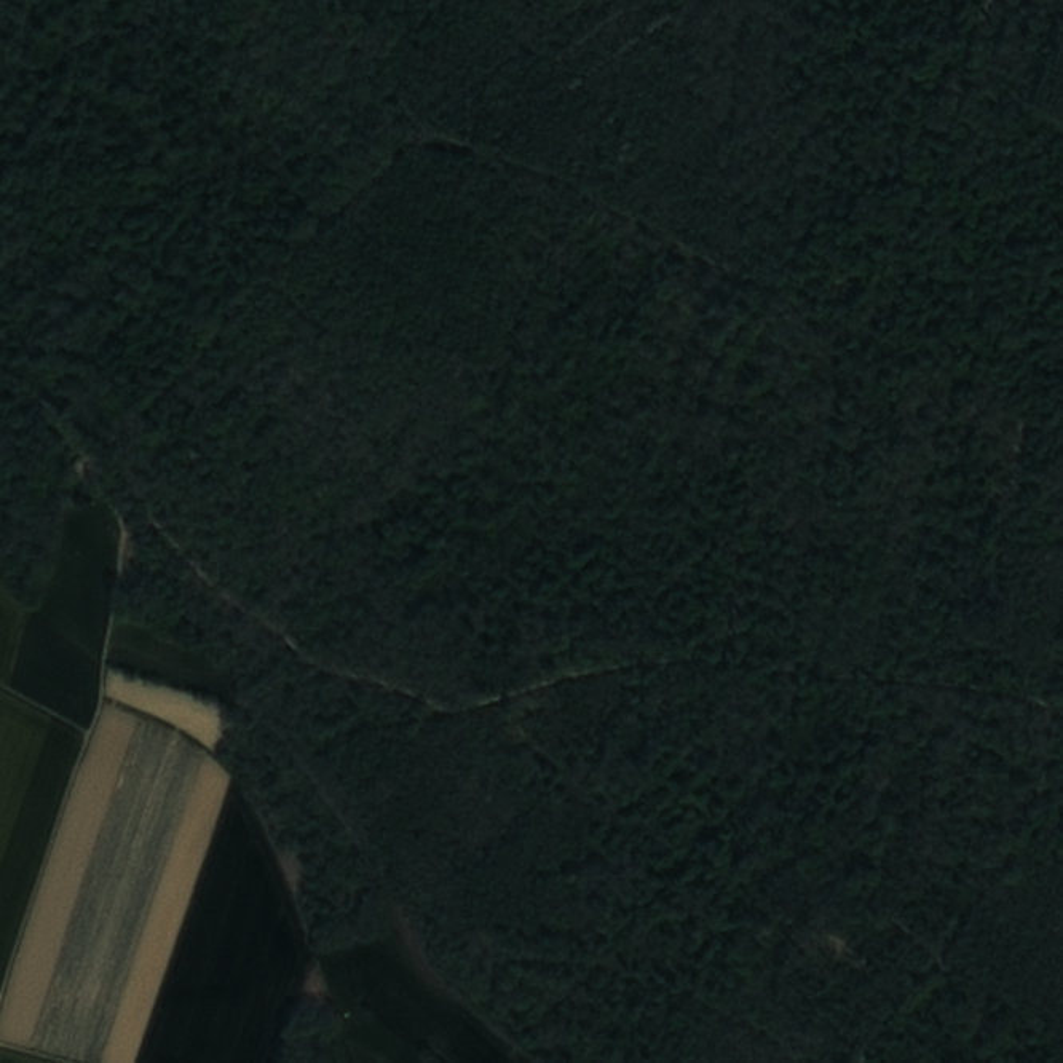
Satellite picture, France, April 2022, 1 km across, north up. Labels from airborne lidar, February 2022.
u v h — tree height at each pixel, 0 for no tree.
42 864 0
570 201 21
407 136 20
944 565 20
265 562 28
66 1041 0
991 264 24
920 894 11
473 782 21
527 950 25
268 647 27
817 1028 18
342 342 24
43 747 0
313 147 7
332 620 26
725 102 18
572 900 21
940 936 20
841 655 23
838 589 23
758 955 29
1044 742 26
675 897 27
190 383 29
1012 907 22
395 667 29
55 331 29
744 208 21
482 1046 0
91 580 0
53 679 0
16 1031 0
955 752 25
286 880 0
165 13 29
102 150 30
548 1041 20
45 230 26
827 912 20
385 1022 0
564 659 26
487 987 26
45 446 28
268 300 20
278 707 22
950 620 15
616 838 26
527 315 17
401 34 21
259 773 17
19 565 28
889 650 21
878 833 24
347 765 20
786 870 20
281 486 28
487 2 22
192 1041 0
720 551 21
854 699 28
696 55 22
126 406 30
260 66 31
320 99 29
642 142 23
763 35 21
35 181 23
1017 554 23
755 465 13
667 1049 20
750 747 24
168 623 22
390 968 0
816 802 18
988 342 23
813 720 16
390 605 27
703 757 21
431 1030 0
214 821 0
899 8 25
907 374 25
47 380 9
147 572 27
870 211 30
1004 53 32
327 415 27
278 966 0
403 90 21
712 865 24
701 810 26
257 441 27
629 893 30
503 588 22
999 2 15
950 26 19
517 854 20
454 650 21
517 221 15
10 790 0
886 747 27
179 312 20
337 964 0
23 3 24
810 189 20
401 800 17
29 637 0
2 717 0
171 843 0
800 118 26
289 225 32
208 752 0
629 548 18
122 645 0
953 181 22
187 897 0
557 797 25
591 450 28
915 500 21
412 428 29
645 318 22
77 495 26
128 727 0
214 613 27
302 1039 28
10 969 0
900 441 26
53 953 0
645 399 7
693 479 19
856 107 33
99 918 0
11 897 0
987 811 20
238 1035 0
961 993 19
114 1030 0
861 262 32
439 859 19
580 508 12
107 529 0
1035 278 20
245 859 0
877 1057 16
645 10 16
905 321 33
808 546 9
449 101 20
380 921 19
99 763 0
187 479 30
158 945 0
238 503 30
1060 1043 10
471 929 24
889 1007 17
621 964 7
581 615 28
